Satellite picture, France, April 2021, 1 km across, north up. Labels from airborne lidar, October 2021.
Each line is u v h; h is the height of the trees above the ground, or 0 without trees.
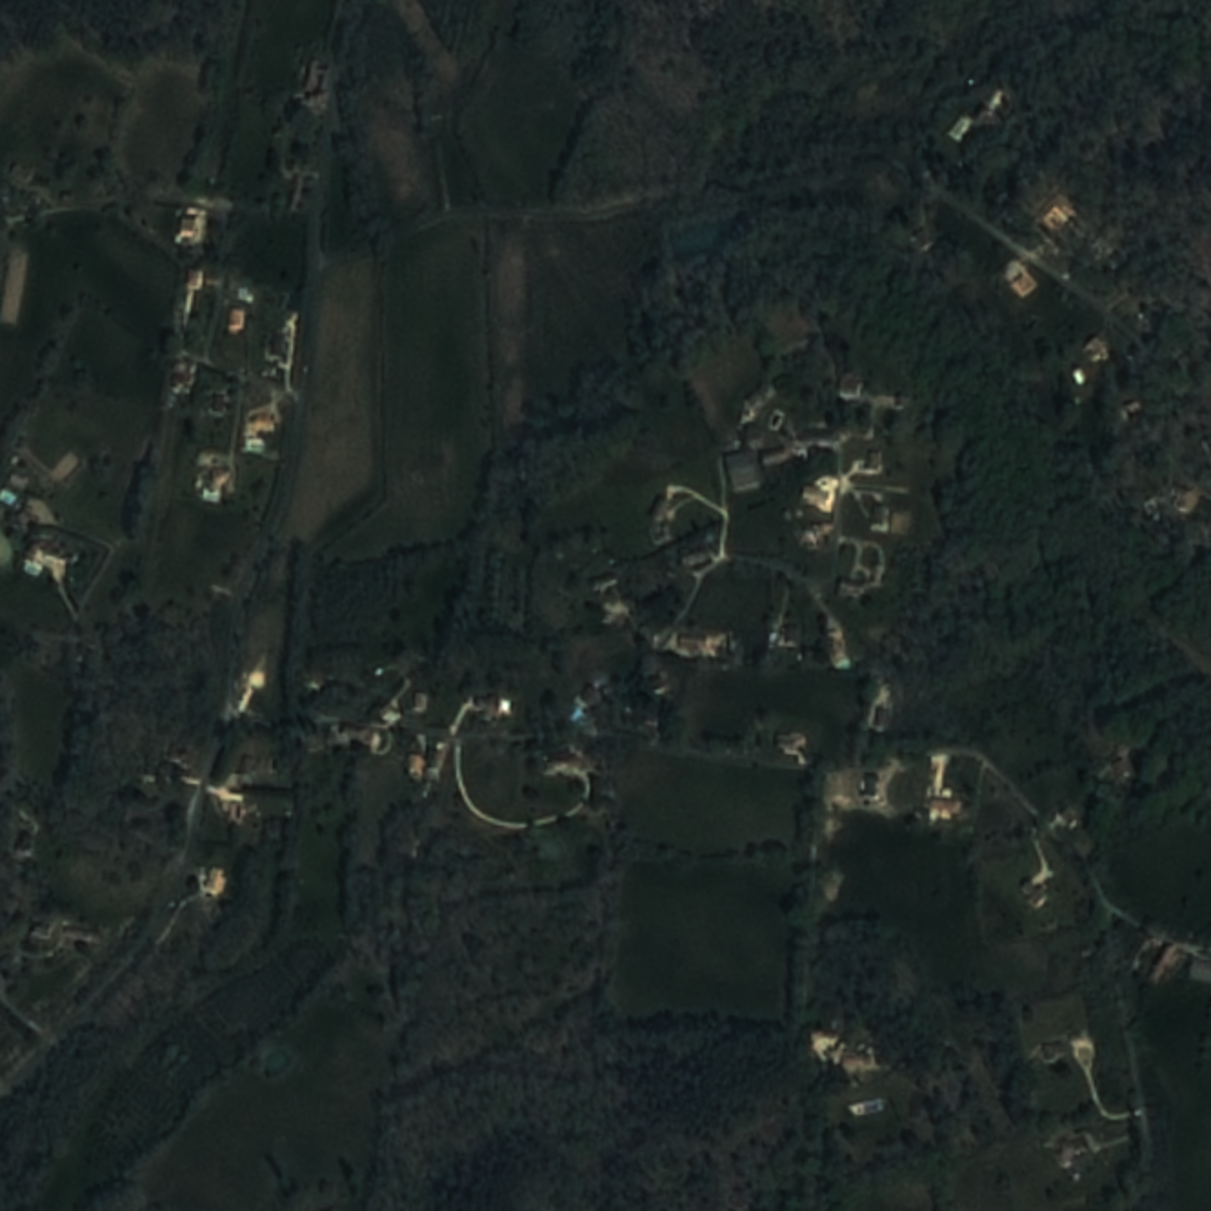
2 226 16
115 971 12
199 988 18
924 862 0
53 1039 0
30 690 0
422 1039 15
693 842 0
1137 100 19
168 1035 5
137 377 0
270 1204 0
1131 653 24
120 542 0
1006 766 0
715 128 23
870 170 16
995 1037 16
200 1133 0
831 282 17
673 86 13
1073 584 23
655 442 13
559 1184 17
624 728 10
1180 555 22
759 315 27
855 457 0
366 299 0
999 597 24
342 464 0
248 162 0
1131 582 22
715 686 0
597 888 15
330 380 0
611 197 20
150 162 0
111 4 26
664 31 8
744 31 26
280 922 16
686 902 0
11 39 23
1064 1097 0
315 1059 0
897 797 0
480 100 0
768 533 0
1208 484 12
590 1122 17
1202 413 8
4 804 13
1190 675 24
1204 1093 0
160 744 16
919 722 11
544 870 6
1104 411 16
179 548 0
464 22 33
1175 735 22
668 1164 16
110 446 0
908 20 24
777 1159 16
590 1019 14
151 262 0
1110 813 18
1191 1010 0
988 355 24
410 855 16
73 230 0
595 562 0
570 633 7
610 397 22
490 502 19
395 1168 17
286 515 0
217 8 26
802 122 18
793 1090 23
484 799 0
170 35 19
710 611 0
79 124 10
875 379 7
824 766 15
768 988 0
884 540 0
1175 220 13
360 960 16
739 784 0
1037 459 26
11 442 15
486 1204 22
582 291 0
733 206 16
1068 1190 0
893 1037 20
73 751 19
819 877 14
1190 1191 0
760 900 0
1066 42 28
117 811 17
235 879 0
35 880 8
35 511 0
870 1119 0
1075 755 7
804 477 12
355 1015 7
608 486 0
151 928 13
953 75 14
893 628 6
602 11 12
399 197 0
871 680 13
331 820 9
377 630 11
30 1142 23
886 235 15
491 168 0
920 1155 18
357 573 6
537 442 16
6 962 6
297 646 17
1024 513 29
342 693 16
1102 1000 6
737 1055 24
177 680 24
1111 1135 0
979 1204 0
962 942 0
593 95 11
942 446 17
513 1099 21
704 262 18
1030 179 18
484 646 32
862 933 19
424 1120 22
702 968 0
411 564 21
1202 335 16
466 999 9
